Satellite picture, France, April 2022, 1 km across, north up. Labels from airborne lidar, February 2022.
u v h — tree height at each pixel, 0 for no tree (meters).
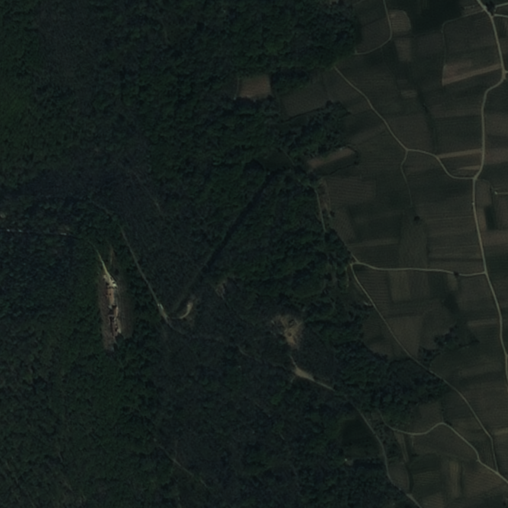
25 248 27
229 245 21
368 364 22
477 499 0
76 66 25
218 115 19
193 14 20
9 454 27
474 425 0
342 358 13
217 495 26
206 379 29
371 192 0
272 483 26
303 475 24
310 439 28
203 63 27
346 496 23
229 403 16
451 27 0
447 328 0
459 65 0
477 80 0
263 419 26
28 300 25
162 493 22
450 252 0
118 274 15
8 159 32
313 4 10
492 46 0
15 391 30
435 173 0
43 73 26
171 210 27
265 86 0
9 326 26
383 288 0
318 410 25
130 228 23
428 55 0
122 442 25
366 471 24
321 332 19
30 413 26
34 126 26
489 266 0
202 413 24
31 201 27
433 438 0
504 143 0
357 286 0
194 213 22
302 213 14
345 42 23
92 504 24
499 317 0
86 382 20
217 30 17
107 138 29
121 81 25
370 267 0
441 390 6
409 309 0
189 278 28
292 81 22
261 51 25
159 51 29
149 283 14
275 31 28
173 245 31
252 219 23
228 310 26
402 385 21
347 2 13
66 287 17
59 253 21
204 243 28
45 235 32
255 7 21
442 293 0
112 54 28
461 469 0
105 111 27
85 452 28
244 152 23
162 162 31
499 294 0
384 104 0
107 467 23
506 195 0
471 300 0
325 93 0
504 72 0
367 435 0
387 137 0
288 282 17
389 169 0
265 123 23
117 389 25
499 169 0
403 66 0
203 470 28
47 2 25
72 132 26
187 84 28
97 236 25
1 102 18
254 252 24
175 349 23
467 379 0
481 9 0
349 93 0
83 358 21
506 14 0
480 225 0
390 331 0
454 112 0
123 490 21
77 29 31
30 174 26
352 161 0
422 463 0
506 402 0
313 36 24
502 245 0
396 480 0
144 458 28
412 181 0
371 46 0
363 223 0
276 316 25
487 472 0
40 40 26
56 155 20
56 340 25
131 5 30
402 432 0
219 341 30
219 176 30
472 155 0
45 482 28
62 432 26
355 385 22
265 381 22
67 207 27
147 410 30
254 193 27
